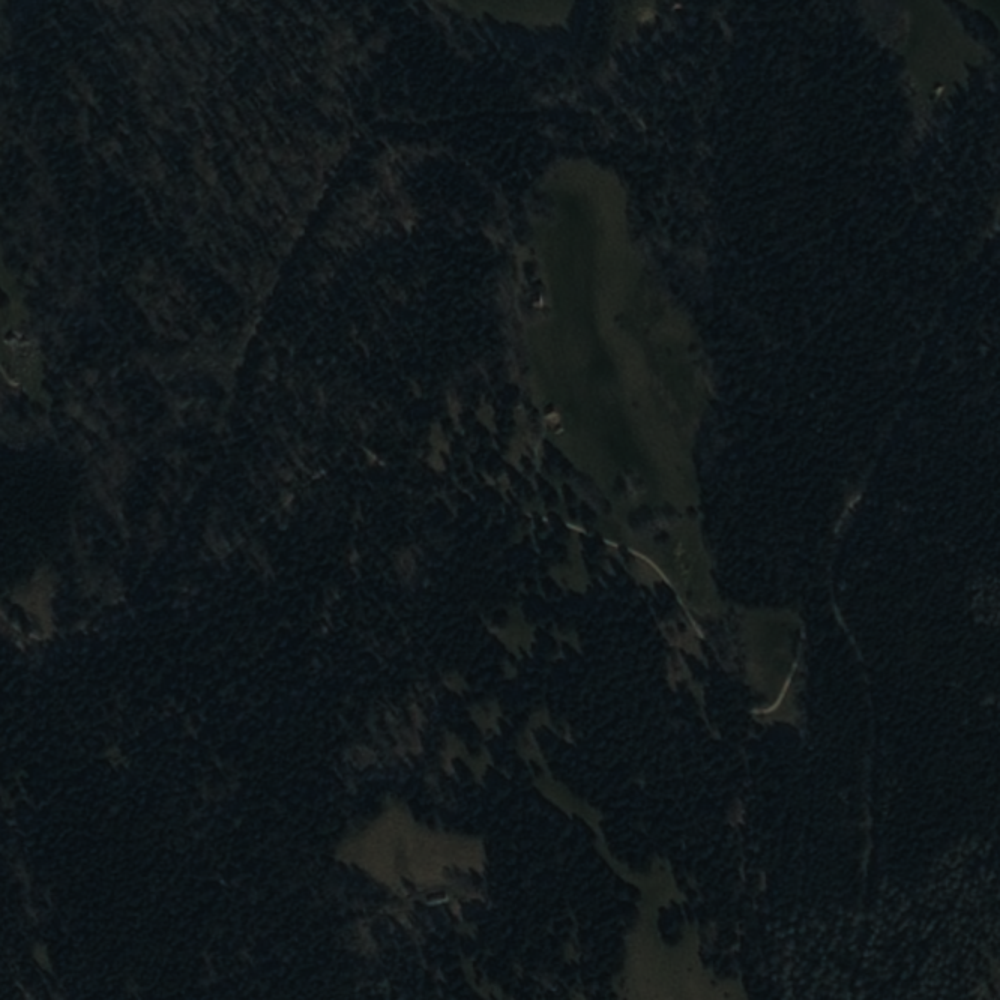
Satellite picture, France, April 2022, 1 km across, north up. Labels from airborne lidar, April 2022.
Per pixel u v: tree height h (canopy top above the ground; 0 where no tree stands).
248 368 10
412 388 23
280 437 10
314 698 22
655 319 0
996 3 0
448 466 15
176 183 10
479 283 28
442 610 23
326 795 23
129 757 22
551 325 0
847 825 22
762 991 23
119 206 26
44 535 29
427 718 11
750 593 22
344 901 20
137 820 21
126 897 17
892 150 28
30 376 0
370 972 19
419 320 23
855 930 27
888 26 23
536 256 8
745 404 27
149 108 8
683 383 0
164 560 12
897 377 23
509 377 18
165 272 25
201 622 29
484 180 14
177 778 22
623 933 17
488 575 27
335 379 21
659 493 0
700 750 13
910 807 19
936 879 26
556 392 0
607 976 16
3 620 9
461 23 13
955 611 20
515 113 20
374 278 23
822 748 27
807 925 32
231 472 23
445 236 18
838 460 24
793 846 23
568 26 0
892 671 22
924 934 21
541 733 0
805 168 23
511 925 18
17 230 10
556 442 0
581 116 16
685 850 17
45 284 22
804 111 27
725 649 18
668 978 0
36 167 6
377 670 30
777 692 0
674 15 21
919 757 25
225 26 10
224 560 10
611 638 18
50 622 0
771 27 27
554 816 20
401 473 13
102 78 24
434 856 0
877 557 19
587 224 0
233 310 20
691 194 20
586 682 25
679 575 0
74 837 16
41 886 25
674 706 22
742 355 26
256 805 20
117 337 29
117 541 13
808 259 25
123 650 23
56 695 24
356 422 20
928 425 22
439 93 26
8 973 25
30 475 29
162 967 20
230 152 25
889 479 21
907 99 29
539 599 0
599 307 0
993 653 15
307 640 21
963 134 32
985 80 18
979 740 20
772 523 27
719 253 26
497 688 22
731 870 27
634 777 23
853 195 26
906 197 26
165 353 8
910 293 26
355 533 25
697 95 28
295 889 17
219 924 22
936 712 23
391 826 0
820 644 16
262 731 26
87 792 16
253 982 20
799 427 27
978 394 23
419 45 15
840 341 25
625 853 19
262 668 17
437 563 21
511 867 12
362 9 22
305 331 23
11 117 24
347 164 11
